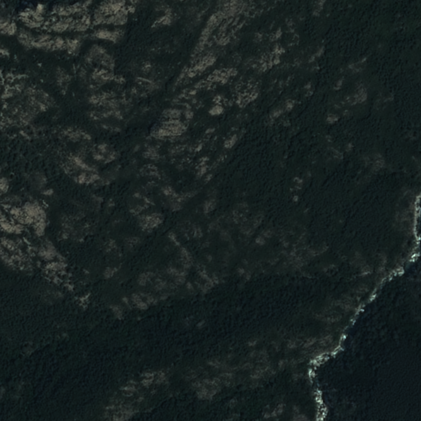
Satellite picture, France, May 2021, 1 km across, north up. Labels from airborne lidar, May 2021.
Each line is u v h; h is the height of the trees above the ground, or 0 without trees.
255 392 7
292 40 8
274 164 15
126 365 14
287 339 8
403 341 22
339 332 7
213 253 5
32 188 20
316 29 7
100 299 16
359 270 10
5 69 18
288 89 6
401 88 14
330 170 12
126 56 15
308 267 6
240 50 13
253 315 18
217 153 13
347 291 9
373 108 14
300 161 9
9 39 7
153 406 6
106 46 13
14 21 7
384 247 19
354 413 6
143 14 16
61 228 6
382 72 13
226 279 10
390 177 16
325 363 10
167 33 10
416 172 7
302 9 12
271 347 10
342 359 7
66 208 15
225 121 16
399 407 23
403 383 22
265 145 19
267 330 18
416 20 7
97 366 16
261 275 13
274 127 9
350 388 12
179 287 6
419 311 6
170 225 7
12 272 8
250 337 12
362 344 17
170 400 18
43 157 7
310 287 12
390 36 8
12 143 13
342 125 16
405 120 16
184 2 10
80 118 16
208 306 7
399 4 21
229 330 14
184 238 6
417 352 17
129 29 6
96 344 8
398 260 6
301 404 11
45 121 9
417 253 0
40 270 7
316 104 18
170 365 7
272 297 10
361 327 22
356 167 13
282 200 15
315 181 12
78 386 10
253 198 11
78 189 16
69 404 10
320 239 18
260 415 8
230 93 12
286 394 6
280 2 6
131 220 14
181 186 12
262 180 15
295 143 25
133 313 16
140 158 6
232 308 11
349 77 6
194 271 6
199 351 7
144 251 16
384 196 19
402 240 10
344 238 17
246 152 17
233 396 8
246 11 6
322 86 16
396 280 16
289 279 8
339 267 12
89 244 21
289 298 13
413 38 18
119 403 7
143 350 6
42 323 17
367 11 10
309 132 18
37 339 15
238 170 14
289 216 14
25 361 11
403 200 6
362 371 15
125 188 17
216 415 17
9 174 10
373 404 20
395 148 19
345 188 19
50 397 10
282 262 7
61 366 24
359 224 19
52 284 17
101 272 8
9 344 16
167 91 9
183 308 17
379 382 23
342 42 17
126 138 20
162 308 11
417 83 5
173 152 0
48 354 15
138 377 13
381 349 18
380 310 19
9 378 6
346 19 7
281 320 19
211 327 9
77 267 18
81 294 18
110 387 7
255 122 20
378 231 13
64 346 16
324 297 6
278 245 17
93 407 13
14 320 12
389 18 7
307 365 11
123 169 5
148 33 13
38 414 9
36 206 7
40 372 22
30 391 13
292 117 17
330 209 16
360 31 7
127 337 8
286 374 12
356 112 7
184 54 12
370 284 8
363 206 21
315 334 6
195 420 15
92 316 27
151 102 15
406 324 19
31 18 11
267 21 14
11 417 9
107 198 14
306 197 17
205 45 6
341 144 11
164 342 17
